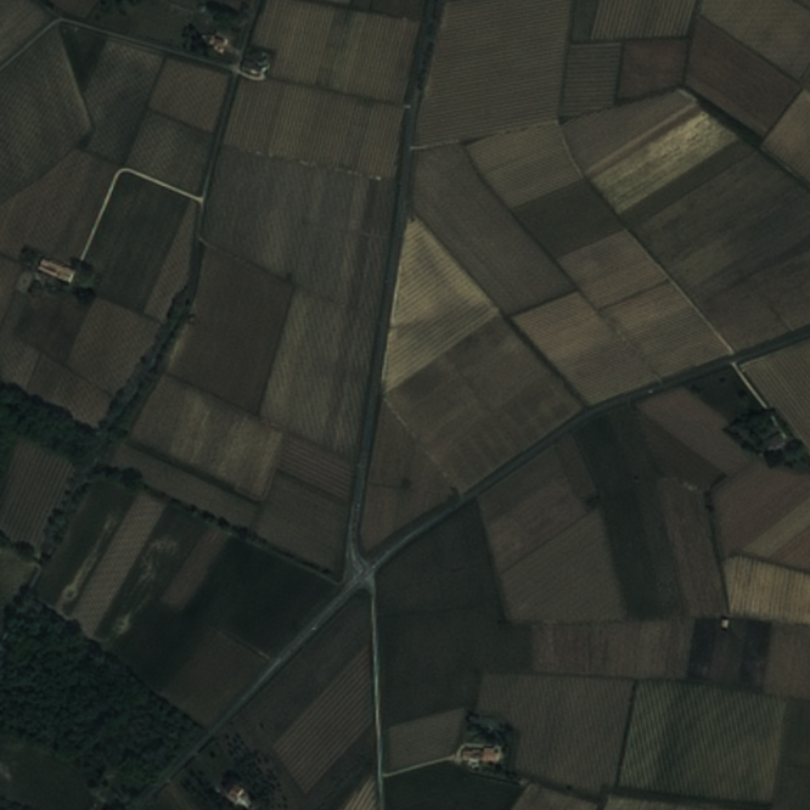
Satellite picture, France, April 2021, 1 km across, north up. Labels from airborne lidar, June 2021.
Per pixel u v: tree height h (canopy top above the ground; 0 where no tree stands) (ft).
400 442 0
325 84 0
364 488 0
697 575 0
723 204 0
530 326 0
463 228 0
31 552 48
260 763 31
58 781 0
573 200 0
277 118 0
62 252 0
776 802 0
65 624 59
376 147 0
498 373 0
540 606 0
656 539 0
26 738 58
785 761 0
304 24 0
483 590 0
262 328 0
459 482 0
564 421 0
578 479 0
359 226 0
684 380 0
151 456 0
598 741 0
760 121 0
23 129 0
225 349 0
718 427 0
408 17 0
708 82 0
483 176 0
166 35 0
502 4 0
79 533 0
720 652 0
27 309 0
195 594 0
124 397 43
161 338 35
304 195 0
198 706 0
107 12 49
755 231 0
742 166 0
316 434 0
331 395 0
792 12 0
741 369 0
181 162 0
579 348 0
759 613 0
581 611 0
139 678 53
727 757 0
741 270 0
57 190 0
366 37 0
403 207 0
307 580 0
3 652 22
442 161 0
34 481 0
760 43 0
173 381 0
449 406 0
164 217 0
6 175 0
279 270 0
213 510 0
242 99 0
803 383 0
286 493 0
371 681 0
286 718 0
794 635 0
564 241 0
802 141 0
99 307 0
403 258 0
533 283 0
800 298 0
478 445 0
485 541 0
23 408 55
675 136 0
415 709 0
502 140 0
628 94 0
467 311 0
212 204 0
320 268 0
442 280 0
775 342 0
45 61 0
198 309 0
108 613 0
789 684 0
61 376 0
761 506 0
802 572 0
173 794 0
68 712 79
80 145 0
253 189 0
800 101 0
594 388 0
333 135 0
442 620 0
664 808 0
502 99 0
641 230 0
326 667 0
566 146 0
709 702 0
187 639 0
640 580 0
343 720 0
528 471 0
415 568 0
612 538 0
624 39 0
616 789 0
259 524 0
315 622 0
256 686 0
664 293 0
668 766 0
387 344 0
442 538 0
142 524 0
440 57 0
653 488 0
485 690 0
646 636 0
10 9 0
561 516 0
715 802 0
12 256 0
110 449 39
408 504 0
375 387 0
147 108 0
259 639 0
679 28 0
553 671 0
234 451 0
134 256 0
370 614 0
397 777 0
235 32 38
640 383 0
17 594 0
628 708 0
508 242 0
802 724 0
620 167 0
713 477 0
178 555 0
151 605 0
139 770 54
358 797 0
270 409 0
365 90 0
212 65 0
